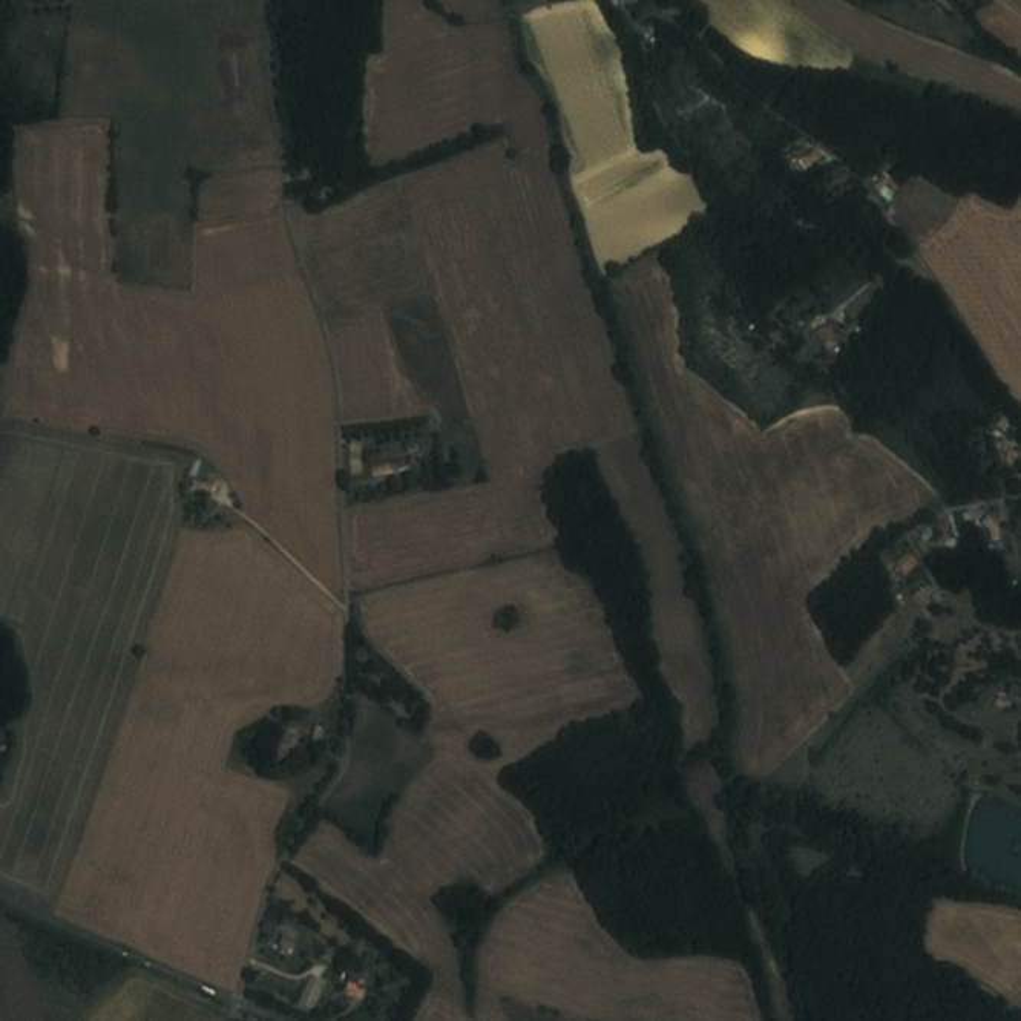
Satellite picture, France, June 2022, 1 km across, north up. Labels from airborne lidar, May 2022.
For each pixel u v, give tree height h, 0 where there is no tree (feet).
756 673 0
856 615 46
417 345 0
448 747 0
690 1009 0
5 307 41
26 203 0
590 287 50
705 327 0
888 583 42
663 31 32
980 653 33
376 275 0
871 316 40
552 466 25
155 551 0
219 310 0
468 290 0
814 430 0
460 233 0
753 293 50
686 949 46
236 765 0
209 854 0
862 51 0
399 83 0
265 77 0
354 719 36
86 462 0
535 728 0
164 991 0
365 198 0
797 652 0
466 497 0
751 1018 0
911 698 0
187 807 0
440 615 0
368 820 0
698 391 0
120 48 0
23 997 0
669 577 0
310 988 0
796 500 0
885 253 40
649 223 0
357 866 0
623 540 56
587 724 30
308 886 38
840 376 28
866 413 31
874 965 54
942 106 64
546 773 56
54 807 0
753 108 27
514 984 0
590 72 0
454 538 0
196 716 0
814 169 26
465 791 0
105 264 0
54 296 0
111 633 0
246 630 0
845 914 40
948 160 56
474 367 0
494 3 0
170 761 0
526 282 0
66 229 0
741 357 0
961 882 61
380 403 0
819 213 45
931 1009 50
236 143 0
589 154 0
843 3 0
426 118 0
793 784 0
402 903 0
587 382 0
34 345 0
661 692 41
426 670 0
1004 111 45
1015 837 0
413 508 0
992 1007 53
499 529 0
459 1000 0
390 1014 44
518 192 0
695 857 43
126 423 0
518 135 0
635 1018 0
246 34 0
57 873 0
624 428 0
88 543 0
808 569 0
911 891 56
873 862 43
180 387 0
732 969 0
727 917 54
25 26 0
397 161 24
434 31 0
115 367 0
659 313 0
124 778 0
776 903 19
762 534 0
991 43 33
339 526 0
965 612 0
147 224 0
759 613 0
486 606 0
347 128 36
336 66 44
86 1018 0
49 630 0
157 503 0
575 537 48
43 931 33
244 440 0
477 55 0
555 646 0
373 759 0
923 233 0
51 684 0
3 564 0
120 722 0
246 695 0
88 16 0
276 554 0
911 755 0
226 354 0
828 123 55
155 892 0
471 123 0
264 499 0
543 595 0
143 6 0
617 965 0
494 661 0
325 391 0
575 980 0
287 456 0
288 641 0
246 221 0
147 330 0
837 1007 55
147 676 0
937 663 35
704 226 53
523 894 0
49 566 0
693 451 0
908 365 43
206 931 0
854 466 0
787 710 0
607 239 0
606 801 42
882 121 59
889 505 0
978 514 0
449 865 0
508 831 0
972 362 47
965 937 0
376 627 0
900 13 0
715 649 32
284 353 0
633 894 55
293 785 0
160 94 0
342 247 0
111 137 29
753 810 73
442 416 0
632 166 0
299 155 41
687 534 31
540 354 0
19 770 0
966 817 0
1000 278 0
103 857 0
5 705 78
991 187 34
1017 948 0
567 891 0
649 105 23
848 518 0
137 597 0
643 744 47
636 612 56
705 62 41
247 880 0
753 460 0
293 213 0
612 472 0
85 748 0
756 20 0
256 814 0
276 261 0
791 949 46
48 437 0
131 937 0
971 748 0
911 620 0
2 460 0
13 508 0
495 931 0
